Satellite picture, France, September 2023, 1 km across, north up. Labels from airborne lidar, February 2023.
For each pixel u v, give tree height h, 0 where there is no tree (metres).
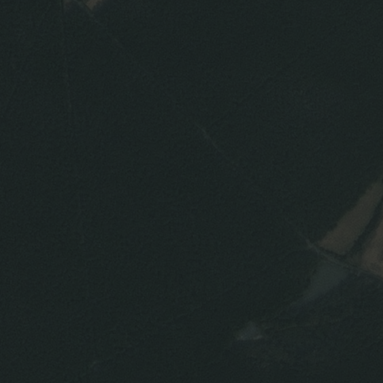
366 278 17
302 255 26
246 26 30
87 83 30
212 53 29
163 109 31
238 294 30
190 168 30
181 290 32
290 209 31
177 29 25
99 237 25
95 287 29
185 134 30
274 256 28
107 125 29
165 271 34
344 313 17
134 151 29
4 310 31
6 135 32
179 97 29
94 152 28
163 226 33
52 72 27
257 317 21
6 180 30
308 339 20
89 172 29
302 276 27
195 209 31
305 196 30
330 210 28
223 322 27
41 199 30
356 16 25
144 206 30
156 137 32
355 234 0
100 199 29
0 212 32
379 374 18
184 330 31
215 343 26
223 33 28
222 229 32
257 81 25
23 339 27
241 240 29
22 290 29
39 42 23
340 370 18
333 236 0
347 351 22
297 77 25
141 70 26
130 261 31
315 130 27
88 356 27
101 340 28
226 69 28
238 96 28
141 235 30
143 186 31
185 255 32
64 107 22
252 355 10
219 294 29
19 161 30
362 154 33
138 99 30
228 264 32
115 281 31
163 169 30
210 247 30
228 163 26
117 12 29
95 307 29
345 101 26
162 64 27
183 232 33
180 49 27
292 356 13
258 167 31
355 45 29
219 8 30
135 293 29
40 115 25
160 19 26
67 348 28
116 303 32
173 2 25
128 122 32
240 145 29
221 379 17
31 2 27
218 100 29
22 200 30
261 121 31
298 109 25
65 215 27
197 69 29
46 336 31
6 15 26
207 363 19
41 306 30
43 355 29
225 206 32
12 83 25
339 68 31
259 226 31
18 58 24
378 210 6
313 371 15
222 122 29
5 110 26
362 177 31
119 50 28
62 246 29
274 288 31
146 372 27
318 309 16
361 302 24
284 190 33
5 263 29
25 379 29
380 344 17
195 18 27
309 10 26
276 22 27
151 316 32
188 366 26
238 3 25
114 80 30
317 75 25
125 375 28
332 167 29
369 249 0
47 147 30
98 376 26
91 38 29
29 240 28
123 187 29
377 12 27
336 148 32
